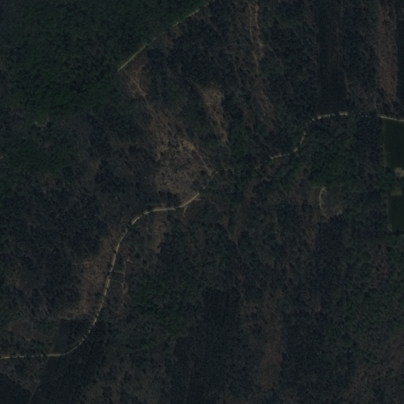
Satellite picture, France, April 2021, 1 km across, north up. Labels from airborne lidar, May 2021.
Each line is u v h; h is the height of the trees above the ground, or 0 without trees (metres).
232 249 23
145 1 17
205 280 15
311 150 14
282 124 18
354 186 14
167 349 18
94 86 20
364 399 13
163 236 0
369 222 13
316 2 7
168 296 13
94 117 14
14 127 15
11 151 18
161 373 7
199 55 18
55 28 17
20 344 16
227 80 24
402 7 11
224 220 13
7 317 15
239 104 7
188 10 20
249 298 24
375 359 13
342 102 7
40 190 16
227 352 18
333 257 16
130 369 7
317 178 25
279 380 9
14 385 13
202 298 8
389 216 11
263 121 13
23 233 26
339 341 11
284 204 7
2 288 15
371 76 19
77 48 20
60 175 13
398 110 16
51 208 26
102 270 0
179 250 14
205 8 17
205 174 14
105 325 11
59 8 19
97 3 19
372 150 25
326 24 7
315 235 7
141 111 19
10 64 13
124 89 15
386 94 6
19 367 15
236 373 17
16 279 7
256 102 14
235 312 21
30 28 17
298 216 25
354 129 17
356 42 19
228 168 9
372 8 16
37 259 17
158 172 10
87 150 16
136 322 9
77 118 16
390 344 7
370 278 14
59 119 18
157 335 7
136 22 18
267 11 19
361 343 8
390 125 0
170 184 0
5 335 13
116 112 23
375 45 7
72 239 16
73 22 20
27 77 19
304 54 26
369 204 19
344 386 24
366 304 16
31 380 9
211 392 18
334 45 8
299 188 12
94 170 11
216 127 16
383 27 6
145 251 20
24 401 16
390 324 12
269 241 7
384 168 14
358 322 10
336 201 0
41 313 12
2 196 12
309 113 17
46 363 18
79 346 12
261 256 13
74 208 24
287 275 21
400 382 8
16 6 19
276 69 18
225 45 19
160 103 17
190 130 12
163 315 18
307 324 7
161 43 17
